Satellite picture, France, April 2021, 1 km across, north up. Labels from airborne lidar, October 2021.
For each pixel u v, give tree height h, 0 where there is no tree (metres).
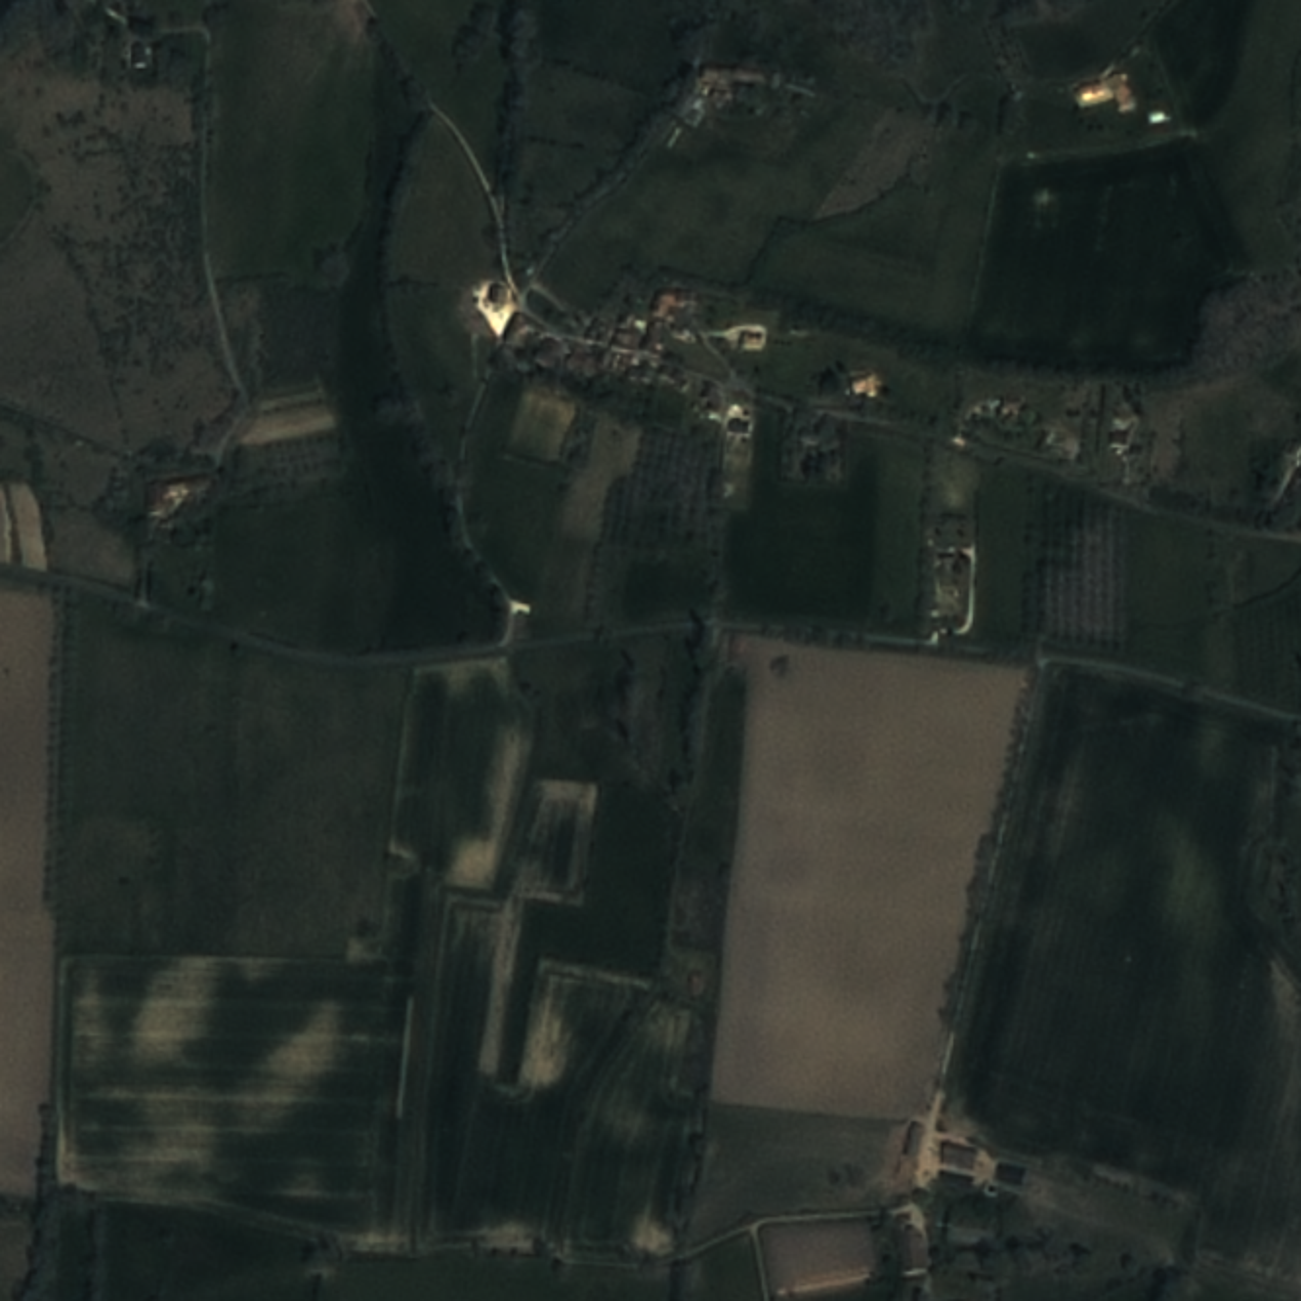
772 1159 0
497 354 7
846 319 9
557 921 0
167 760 0
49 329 0
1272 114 0
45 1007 0
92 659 0
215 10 7
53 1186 11
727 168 0
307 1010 0
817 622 0
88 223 0
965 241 0
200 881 0
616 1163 0
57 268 0
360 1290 0
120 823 0
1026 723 9
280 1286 0
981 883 12
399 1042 0
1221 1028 0
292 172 0
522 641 0
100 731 0
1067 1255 17
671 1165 0
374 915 0
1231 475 0
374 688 0
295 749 0
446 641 0
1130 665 0
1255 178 0
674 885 0
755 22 9
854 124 0
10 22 20
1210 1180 0
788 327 7
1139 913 0
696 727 20
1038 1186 0
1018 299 0
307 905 0
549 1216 0
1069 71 0
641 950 0
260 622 0
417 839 0
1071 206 0
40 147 0
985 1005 0
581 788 0
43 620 0
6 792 0
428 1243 0
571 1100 0
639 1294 0
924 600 10
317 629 0
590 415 7
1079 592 13
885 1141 0
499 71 0
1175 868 0
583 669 0
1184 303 0
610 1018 0
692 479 11
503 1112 0
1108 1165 0
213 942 0
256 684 0
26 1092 0
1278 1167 0
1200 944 0
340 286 16
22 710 0
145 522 10
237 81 0
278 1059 0
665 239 0
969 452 6
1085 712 0
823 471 13
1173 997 0
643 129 10
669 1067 0
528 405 0
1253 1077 0
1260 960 0
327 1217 0
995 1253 14
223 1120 0
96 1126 0
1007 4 7
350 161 0
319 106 0
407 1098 0
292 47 0
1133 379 9
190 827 0
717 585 6
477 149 0
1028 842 0
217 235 0
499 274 10
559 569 0
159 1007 0
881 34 23
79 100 0
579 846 0
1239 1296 0
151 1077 0
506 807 0
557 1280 13
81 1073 0
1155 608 0
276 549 0
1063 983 0
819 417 8
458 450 0
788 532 0
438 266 0
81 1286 0
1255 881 0
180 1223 0
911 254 0
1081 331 0
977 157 0
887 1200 0
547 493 0
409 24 0
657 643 0
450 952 0
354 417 0
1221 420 0
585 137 0
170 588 0
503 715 0
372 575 0
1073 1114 0
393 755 0
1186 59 0
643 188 0
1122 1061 0
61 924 9
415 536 0
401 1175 0
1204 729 0
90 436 0
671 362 8
